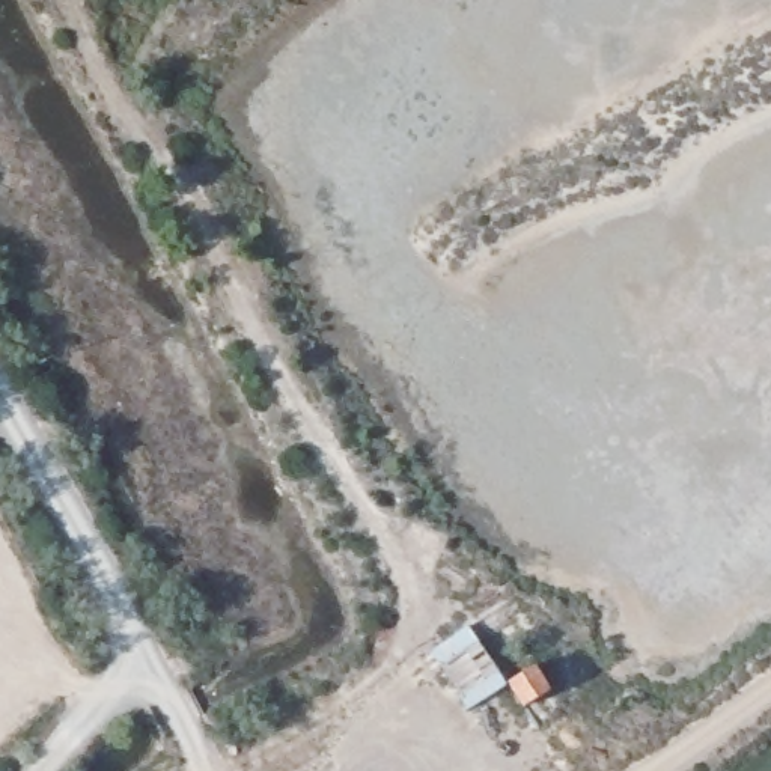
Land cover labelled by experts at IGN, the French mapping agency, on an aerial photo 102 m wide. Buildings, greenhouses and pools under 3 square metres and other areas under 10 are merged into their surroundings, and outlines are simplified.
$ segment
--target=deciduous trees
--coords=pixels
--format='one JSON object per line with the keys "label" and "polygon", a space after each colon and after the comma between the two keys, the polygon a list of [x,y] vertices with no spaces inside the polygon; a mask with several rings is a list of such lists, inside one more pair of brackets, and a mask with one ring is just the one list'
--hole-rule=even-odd
{"label": "deciduous trees", "polygon": [[66,533],[60,515],[48,503],[33,500],[33,491],[21,482],[18,461],[9,461],[0,452],[0,524],[21,536],[18,560],[24,566],[24,575],[36,584],[39,614],[45,617],[48,632],[60,641],[63,654],[72,660],[78,672],[102,675],[120,654],[130,651],[130,645],[123,632],[108,629],[102,593],[93,584],[93,575],[84,563],[87,542],[72,539]]}
{"label": "deciduous trees", "polygon": [[271,364],[253,346],[253,340],[247,340],[229,343],[226,358],[232,361],[235,376],[244,382],[244,395],[253,410],[268,410],[277,401],[277,379]]}
{"label": "deciduous trees", "polygon": [[283,473],[289,479],[310,479],[322,464],[319,449],[304,443],[289,446],[280,455]]}
{"label": "deciduous trees", "polygon": [[154,229],[163,247],[169,250],[169,262],[187,262],[187,250],[193,241],[190,235],[178,232],[172,211],[163,208],[163,166],[151,160],[148,145],[126,142],[117,148],[117,157],[126,163],[130,172],[136,172],[136,199],[130,202],[145,235],[148,229]]}

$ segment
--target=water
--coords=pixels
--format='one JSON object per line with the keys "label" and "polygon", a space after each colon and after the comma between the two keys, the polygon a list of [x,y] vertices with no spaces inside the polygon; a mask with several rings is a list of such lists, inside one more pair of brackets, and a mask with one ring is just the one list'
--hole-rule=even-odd
{"label": "water", "polygon": [[78,756],[78,765],[84,771],[126,771],[151,750],[157,732],[169,723],[160,708],[130,714],[130,747],[114,750],[99,735]]}
{"label": "water", "polygon": [[280,497],[268,476],[268,467],[259,458],[247,455],[235,464],[238,503],[247,521],[268,524],[277,515]]}
{"label": "water", "polygon": [[729,771],[771,771],[771,729],[762,732],[741,753],[735,753],[735,765]]}
{"label": "water", "polygon": [[175,292],[166,289],[163,280],[151,277],[154,259],[145,235],[130,202],[114,172],[105,166],[66,87],[54,78],[45,51],[39,48],[15,0],[0,0],[0,69],[12,66],[18,72],[21,90],[27,93],[27,117],[36,126],[36,136],[60,160],[69,187],[78,193],[84,205],[93,235],[114,256],[123,259],[120,283],[130,283],[139,292],[139,298],[160,310],[166,319],[184,322],[187,310],[178,304]]}
{"label": "water", "polygon": [[247,702],[259,708],[259,717],[274,732],[298,726],[310,708],[304,696],[295,696],[280,684],[280,669],[310,657],[316,648],[334,641],[343,629],[343,611],[334,587],[316,593],[310,620],[295,638],[247,654],[247,660],[223,684],[229,693],[247,687]]}

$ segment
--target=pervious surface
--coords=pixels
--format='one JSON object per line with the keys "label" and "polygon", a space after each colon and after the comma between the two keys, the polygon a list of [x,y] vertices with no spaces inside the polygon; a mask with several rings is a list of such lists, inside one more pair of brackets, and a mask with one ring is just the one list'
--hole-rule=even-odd
{"label": "pervious surface", "polygon": [[753,726],[756,717],[771,705],[771,666],[762,675],[750,678],[741,687],[741,693],[720,705],[711,717],[690,723],[663,750],[651,753],[641,762],[632,762],[626,771],[687,771],[699,762],[708,762],[732,732]]}
{"label": "pervious surface", "polygon": [[533,548],[551,551],[551,560],[524,563],[524,575],[533,575],[554,587],[587,593],[602,608],[602,635],[623,635],[623,645],[641,663],[666,663],[675,657],[708,654],[714,648],[720,654],[732,641],[750,635],[756,623],[771,620],[771,102],[756,105],[756,111],[747,111],[741,105],[732,111],[729,120],[717,123],[717,130],[690,136],[681,145],[678,157],[672,157],[663,166],[663,178],[657,184],[629,190],[623,196],[596,196],[572,208],[560,208],[545,220],[521,223],[494,244],[476,247],[464,259],[461,271],[449,268],[455,256],[452,250],[443,250],[437,262],[428,262],[428,247],[446,235],[446,226],[437,220],[440,205],[452,202],[461,190],[479,187],[482,181],[494,178],[503,166],[521,160],[524,154],[548,151],[560,142],[575,139],[581,126],[593,126],[602,117],[626,114],[635,96],[645,96],[666,81],[681,78],[684,72],[699,72],[705,57],[726,60],[726,45],[741,45],[747,36],[762,36],[765,30],[771,30],[771,0],[340,0],[331,9],[319,12],[301,33],[295,33],[286,42],[286,48],[271,60],[265,84],[253,90],[247,105],[250,130],[259,136],[259,163],[283,193],[286,229],[298,232],[301,250],[313,256],[313,280],[319,286],[319,295],[328,301],[331,310],[343,316],[343,322],[373,337],[370,355],[376,355],[389,373],[410,376],[410,392],[419,395],[419,404],[428,410],[431,425],[440,428],[443,440],[458,443],[455,470],[461,476],[461,485],[470,485],[476,491],[473,500],[494,512],[494,518],[512,542],[527,542]]}
{"label": "pervious surface", "polygon": [[166,139],[169,111],[157,108],[151,114],[142,114],[130,102],[130,93],[120,90],[111,63],[96,42],[96,24],[84,0],[57,0],[66,12],[69,30],[75,30],[78,36],[78,48],[84,54],[90,78],[96,81],[96,90],[105,96],[105,111],[126,142],[148,145],[151,160],[163,166],[163,208],[172,211],[178,205],[193,205],[196,211],[208,211],[208,190],[190,190],[175,172],[175,157]]}
{"label": "pervious surface", "polygon": [[160,708],[169,723],[187,759],[187,771],[530,771],[518,756],[509,756],[500,747],[494,747],[488,717],[476,714],[476,705],[446,699],[449,678],[443,675],[443,663],[431,657],[431,651],[443,638],[437,629],[461,605],[434,596],[434,563],[446,548],[446,533],[407,515],[392,515],[370,497],[364,476],[355,470],[352,455],[340,446],[334,422],[304,398],[298,370],[292,367],[298,355],[292,337],[283,334],[280,325],[271,319],[271,307],[238,280],[238,271],[229,274],[229,283],[223,283],[223,289],[229,292],[229,313],[247,340],[253,340],[253,346],[271,364],[277,379],[277,401],[295,416],[304,443],[319,449],[322,464],[331,476],[337,476],[343,497],[355,509],[358,530],[376,539],[379,566],[398,584],[398,626],[379,632],[370,669],[349,672],[340,690],[322,696],[310,708],[298,726],[274,732],[256,747],[232,747],[226,741],[205,738],[199,726],[199,705],[187,690],[181,690],[181,678],[190,675],[190,666],[181,657],[169,657],[166,648],[160,648],[151,638],[151,629],[136,617],[133,593],[120,581],[117,560],[93,524],[93,509],[87,506],[84,491],[75,485],[72,473],[60,458],[60,425],[33,416],[21,395],[9,395],[0,404],[0,452],[9,461],[18,461],[21,482],[33,491],[33,500],[48,503],[60,515],[66,533],[72,539],[87,542],[84,563],[93,575],[93,584],[102,593],[108,629],[123,632],[130,645],[130,651],[120,654],[102,675],[78,672],[72,660],[63,654],[60,641],[48,632],[45,617],[39,614],[36,584],[24,575],[24,566],[18,560],[21,536],[0,524],[0,726],[6,732],[18,732],[39,714],[42,705],[66,699],[66,711],[48,735],[42,759],[36,759],[24,771],[84,771],[78,765],[78,756],[99,735],[108,720],[114,720],[117,714],[130,714]]}
{"label": "pervious surface", "polygon": [[638,114],[645,130],[654,139],[669,139],[678,126],[678,111],[654,111],[651,102]]}

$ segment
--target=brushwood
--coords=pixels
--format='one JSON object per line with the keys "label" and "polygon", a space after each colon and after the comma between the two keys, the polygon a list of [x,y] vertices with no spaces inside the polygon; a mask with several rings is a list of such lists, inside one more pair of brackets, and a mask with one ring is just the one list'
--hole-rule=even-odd
{"label": "brushwood", "polygon": [[154,21],[172,0],[84,0],[96,24],[96,42],[111,63],[120,57],[120,51],[139,51]]}
{"label": "brushwood", "polygon": [[[678,126],[669,139],[654,139],[645,130],[638,114],[651,102],[654,111],[678,111]],[[452,250],[455,256],[449,268],[461,271],[464,259],[476,247],[494,244],[521,223],[545,220],[560,208],[572,208],[596,196],[623,196],[629,190],[657,184],[663,178],[663,166],[672,157],[678,157],[681,145],[690,136],[717,130],[717,123],[729,120],[732,111],[741,105],[747,111],[756,111],[756,105],[771,102],[771,30],[765,30],[762,36],[747,36],[741,45],[726,45],[726,60],[705,57],[699,72],[684,72],[681,78],[666,81],[645,96],[635,96],[626,114],[602,117],[593,126],[581,126],[575,139],[560,142],[548,151],[524,154],[521,160],[503,166],[494,178],[482,181],[479,187],[461,190],[452,202],[440,205],[437,220],[446,226],[446,235],[428,247],[428,262],[437,262],[443,250]]]}
{"label": "brushwood", "polygon": [[735,765],[735,753],[741,753],[762,732],[771,729],[771,705],[756,717],[753,726],[732,732],[708,762],[699,762],[687,771],[729,771]]}
{"label": "brushwood", "polygon": [[560,738],[551,738],[548,747],[560,753],[560,759],[566,759],[572,771],[626,771],[632,762],[641,762],[651,753],[663,750],[690,723],[711,717],[720,705],[741,693],[741,687],[750,678],[762,675],[771,666],[771,620],[756,623],[750,635],[732,641],[720,654],[720,660],[711,663],[702,675],[684,678],[678,684],[654,684],[645,675],[623,678],[617,681],[617,693],[605,702],[605,708],[587,711],[584,717],[569,717],[566,729],[578,738],[578,747],[566,747]]}

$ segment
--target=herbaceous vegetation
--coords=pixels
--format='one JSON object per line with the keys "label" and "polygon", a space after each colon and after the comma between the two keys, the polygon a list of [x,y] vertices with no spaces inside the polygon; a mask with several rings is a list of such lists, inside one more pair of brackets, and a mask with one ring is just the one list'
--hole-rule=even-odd
{"label": "herbaceous vegetation", "polygon": [[99,735],[114,750],[130,747],[130,714],[117,714],[114,720],[108,720]]}
{"label": "herbaceous vegetation", "polygon": [[90,78],[84,54],[78,48],[78,36],[75,30],[69,30],[66,12],[57,0],[15,0],[39,48],[45,51],[54,78],[66,87],[105,166],[114,172],[130,202],[136,199],[136,172],[130,172],[126,163],[117,157],[117,148],[126,142],[105,111],[105,96],[96,90],[96,81]]}
{"label": "herbaceous vegetation", "polygon": [[[328,301],[319,295],[319,286],[313,280],[313,256],[301,250],[298,232],[286,229],[283,193],[259,163],[259,136],[250,130],[247,105],[253,90],[265,84],[271,60],[286,48],[286,42],[295,33],[301,33],[319,12],[331,9],[340,0],[172,0],[154,21],[139,51],[120,51],[120,57],[111,63],[120,90],[130,93],[130,102],[142,114],[151,114],[157,108],[169,111],[166,139],[175,157],[175,172],[190,190],[208,190],[208,211],[196,211],[193,205],[178,205],[172,211],[178,232],[190,235],[193,241],[187,250],[187,262],[169,262],[169,250],[163,247],[154,229],[148,229],[145,235],[154,259],[151,277],[163,280],[166,289],[175,292],[178,304],[187,310],[184,322],[166,319],[160,310],[139,298],[139,292],[130,283],[120,283],[123,259],[114,256],[93,235],[84,205],[78,193],[69,187],[60,160],[36,136],[36,126],[27,117],[27,93],[21,90],[18,72],[12,66],[0,69],[0,404],[9,395],[21,395],[33,416],[60,425],[60,458],[72,473],[75,485],[84,491],[87,506],[93,509],[93,524],[117,560],[120,581],[133,593],[136,617],[151,629],[151,638],[160,648],[166,648],[169,657],[181,657],[190,666],[190,675],[181,678],[181,690],[187,690],[199,705],[199,726],[205,738],[226,741],[232,747],[256,747],[274,732],[259,717],[259,708],[247,702],[247,687],[229,693],[223,684],[247,660],[247,654],[295,638],[310,620],[316,593],[334,587],[343,611],[343,629],[334,641],[316,648],[310,657],[280,669],[280,684],[295,696],[304,696],[310,708],[322,696],[340,690],[349,672],[370,669],[379,632],[398,626],[398,584],[379,566],[376,539],[358,530],[355,509],[343,497],[337,476],[331,476],[322,464],[310,479],[289,479],[283,473],[280,455],[289,446],[304,443],[295,416],[277,401],[268,410],[253,410],[244,395],[244,382],[235,376],[232,361],[226,358],[229,343],[247,340],[229,313],[229,292],[223,289],[223,283],[229,283],[229,274],[238,271],[238,280],[271,307],[271,319],[280,325],[283,334],[292,337],[298,355],[292,367],[298,370],[304,398],[334,422],[340,446],[352,455],[355,470],[364,476],[370,497],[392,515],[407,515],[446,533],[446,548],[434,563],[434,596],[461,605],[437,629],[443,638],[455,635],[461,626],[473,629],[488,657],[494,660],[494,666],[500,669],[503,687],[476,705],[476,714],[488,717],[494,747],[500,747],[509,756],[518,756],[530,771],[572,771],[566,759],[560,759],[560,753],[548,747],[551,738],[560,738],[566,747],[578,747],[578,738],[566,729],[569,717],[584,717],[587,711],[605,708],[605,702],[617,693],[617,681],[623,678],[645,675],[654,684],[678,684],[684,678],[702,675],[711,663],[720,660],[720,654],[714,648],[708,654],[675,657],[666,663],[641,663],[623,645],[623,635],[602,635],[602,608],[587,593],[554,587],[533,575],[524,575],[524,563],[551,560],[551,551],[533,548],[527,542],[512,542],[494,518],[494,512],[473,500],[476,491],[470,485],[461,485],[461,476],[455,470],[458,443],[443,440],[440,428],[431,425],[428,410],[419,404],[419,395],[410,392],[410,376],[389,373],[376,355],[370,355],[373,337],[343,322],[343,316],[331,310]],[[259,458],[268,467],[268,476],[280,497],[277,515],[268,524],[247,521],[238,503],[235,464],[247,455]],[[545,675],[548,687],[536,693],[536,699],[518,702],[512,693],[512,675],[533,666]]]}
{"label": "herbaceous vegetation", "polygon": [[187,759],[169,723],[157,732],[151,750],[126,771],[187,771]]}
{"label": "herbaceous vegetation", "polygon": [[66,699],[42,705],[39,714],[18,732],[6,732],[0,726],[0,771],[24,771],[36,759],[42,759],[48,735],[66,711]]}

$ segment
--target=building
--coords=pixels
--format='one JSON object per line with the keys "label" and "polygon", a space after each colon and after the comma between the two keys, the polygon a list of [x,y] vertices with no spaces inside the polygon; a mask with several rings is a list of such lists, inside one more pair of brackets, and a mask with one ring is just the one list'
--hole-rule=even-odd
{"label": "building", "polygon": [[512,675],[512,693],[518,702],[536,699],[536,693],[548,687],[545,675],[533,666]]}
{"label": "building", "polygon": [[473,629],[461,626],[455,635],[443,638],[431,651],[431,657],[443,663],[443,675],[449,678],[446,699],[476,705],[503,687],[500,669],[494,666],[494,660],[488,657]]}

